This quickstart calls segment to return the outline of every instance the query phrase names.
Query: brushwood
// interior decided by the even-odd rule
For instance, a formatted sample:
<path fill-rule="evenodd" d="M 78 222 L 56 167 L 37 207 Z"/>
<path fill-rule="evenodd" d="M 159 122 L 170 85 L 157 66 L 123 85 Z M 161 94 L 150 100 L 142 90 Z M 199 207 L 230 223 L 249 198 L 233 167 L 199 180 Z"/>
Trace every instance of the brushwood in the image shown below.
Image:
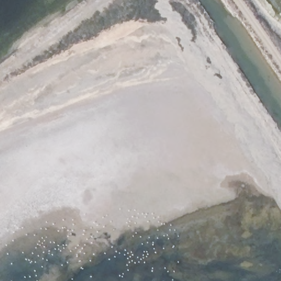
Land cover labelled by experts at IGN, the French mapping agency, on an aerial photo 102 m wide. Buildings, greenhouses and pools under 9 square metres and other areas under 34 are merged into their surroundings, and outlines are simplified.
<path fill-rule="evenodd" d="M 272 29 L 265 15 L 260 13 L 252 0 L 244 0 L 269 34 L 274 46 L 281 52 L 281 35 Z"/>
<path fill-rule="evenodd" d="M 173 11 L 181 15 L 182 22 L 191 31 L 192 42 L 196 40 L 195 19 L 201 18 L 203 14 L 198 0 L 169 0 Z"/>
<path fill-rule="evenodd" d="M 10 78 L 23 74 L 27 69 L 60 54 L 72 45 L 97 37 L 112 25 L 139 19 L 166 22 L 167 19 L 162 18 L 155 8 L 156 0 L 114 0 L 103 12 L 95 11 L 90 19 L 81 21 L 74 31 L 60 38 L 58 44 L 50 46 L 41 55 L 35 56 L 30 63 L 0 79 L 0 87 Z"/>

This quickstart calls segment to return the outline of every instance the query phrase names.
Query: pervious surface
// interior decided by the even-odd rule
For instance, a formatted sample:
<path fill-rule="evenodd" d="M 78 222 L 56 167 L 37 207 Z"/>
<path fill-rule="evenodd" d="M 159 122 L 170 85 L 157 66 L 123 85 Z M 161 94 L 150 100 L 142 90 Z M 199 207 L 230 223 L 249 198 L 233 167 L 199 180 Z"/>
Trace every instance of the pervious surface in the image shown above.
<path fill-rule="evenodd" d="M 74 10 L 64 15 L 59 12 L 47 15 L 11 45 L 8 50 L 9 58 L 0 64 L 0 79 L 30 63 L 35 56 L 41 55 L 50 46 L 58 44 L 60 38 L 74 31 L 81 21 L 90 19 L 95 11 L 103 12 L 114 0 L 83 0 Z"/>
<path fill-rule="evenodd" d="M 72 45 L 60 54 L 27 69 L 23 74 L 10 78 L 0 87 L 0 250 L 12 243 L 15 238 L 26 236 L 33 231 L 42 231 L 43 226 L 53 226 L 59 233 L 67 229 L 67 239 L 74 246 L 79 245 L 80 240 L 93 244 L 93 238 L 103 233 L 108 233 L 114 243 L 128 229 L 133 231 L 137 227 L 142 227 L 147 231 L 150 226 L 164 225 L 173 218 L 198 210 L 200 207 L 235 199 L 235 191 L 228 188 L 228 182 L 233 180 L 255 184 L 262 194 L 276 200 L 281 209 L 281 131 L 241 76 L 220 37 L 216 35 L 203 14 L 201 18 L 195 19 L 196 40 L 192 42 L 191 31 L 182 22 L 181 15 L 173 11 L 169 0 L 156 0 L 155 8 L 162 18 L 167 19 L 166 22 L 139 19 L 112 25 L 97 37 Z"/>
<path fill-rule="evenodd" d="M 221 0 L 225 9 L 245 27 L 281 82 L 281 52 L 274 46 L 269 34 L 244 0 Z"/>
<path fill-rule="evenodd" d="M 265 15 L 272 29 L 281 35 L 281 0 L 252 0 L 260 13 Z"/>

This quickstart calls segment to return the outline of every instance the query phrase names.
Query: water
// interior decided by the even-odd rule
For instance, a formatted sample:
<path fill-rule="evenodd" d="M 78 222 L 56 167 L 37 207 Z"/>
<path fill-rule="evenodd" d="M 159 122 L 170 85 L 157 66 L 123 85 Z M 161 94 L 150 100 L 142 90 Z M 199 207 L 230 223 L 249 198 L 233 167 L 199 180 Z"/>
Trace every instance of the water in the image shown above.
<path fill-rule="evenodd" d="M 245 27 L 225 9 L 221 0 L 198 0 L 203 14 L 216 35 L 220 37 L 241 76 L 281 131 L 281 82 Z"/>
<path fill-rule="evenodd" d="M 93 238 L 93 244 L 80 240 L 79 245 L 74 246 L 67 239 L 67 229 L 59 233 L 53 226 L 43 226 L 42 231 L 33 231 L 26 236 L 15 238 L 12 243 L 0 250 L 0 281 L 281 281 L 281 209 L 276 200 L 262 194 L 255 184 L 233 180 L 228 182 L 228 188 L 235 191 L 235 199 L 200 207 L 198 210 L 173 218 L 164 225 L 150 226 L 147 231 L 142 227 L 137 227 L 133 231 L 128 229 L 114 243 L 108 233 L 103 233 Z"/>
<path fill-rule="evenodd" d="M 11 45 L 47 15 L 59 12 L 64 15 L 74 10 L 83 0 L 0 0 L 0 64 L 9 58 L 8 50 Z"/>

